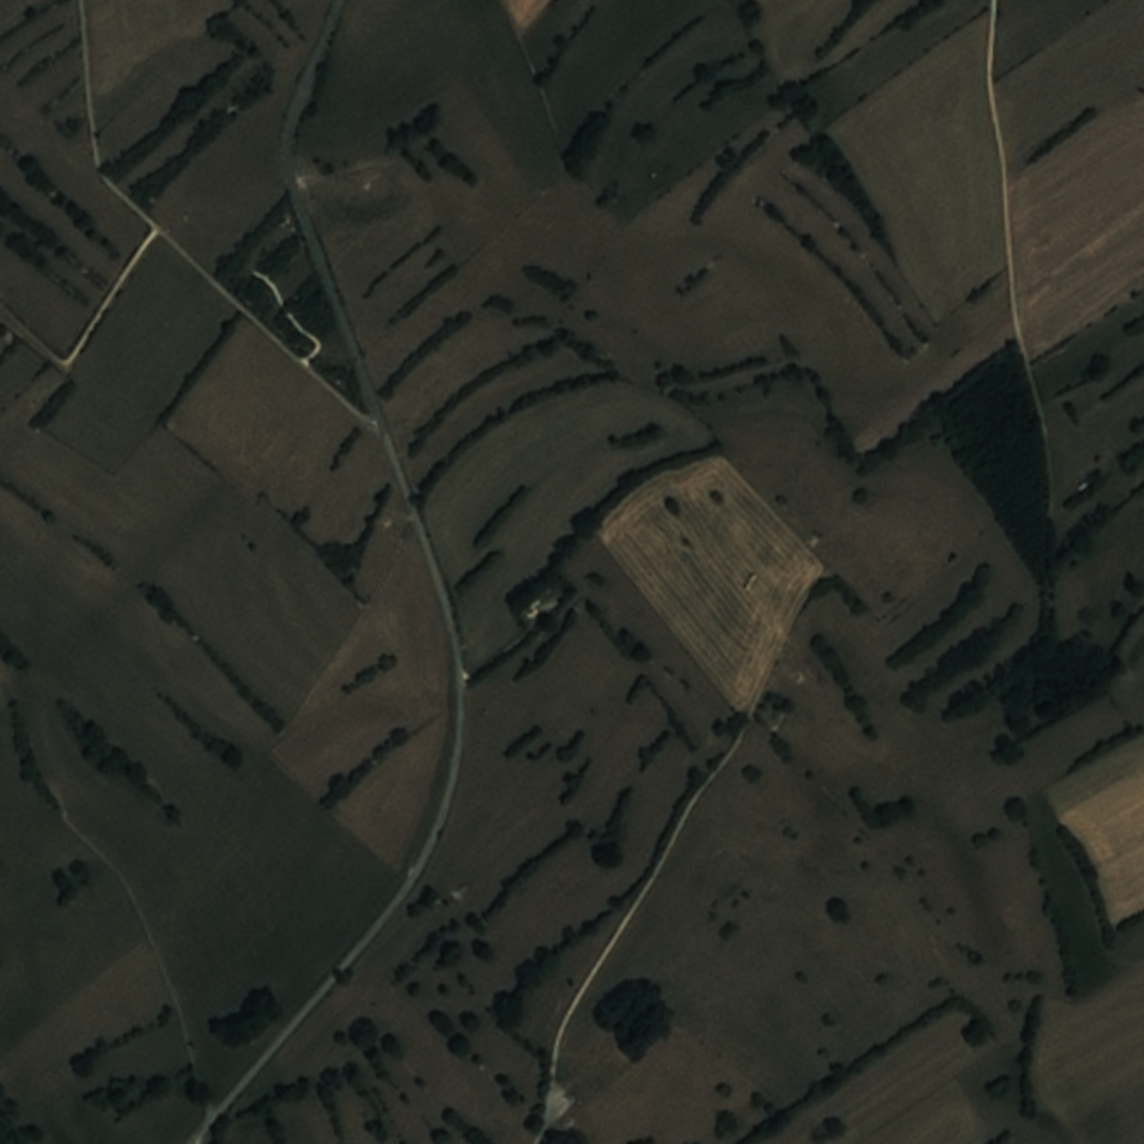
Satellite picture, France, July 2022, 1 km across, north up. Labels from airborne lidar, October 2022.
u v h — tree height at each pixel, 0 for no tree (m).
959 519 0
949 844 0
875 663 0
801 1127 0
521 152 0
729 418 0
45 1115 0
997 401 11
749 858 0
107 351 0
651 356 0
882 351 0
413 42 0
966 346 0
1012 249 0
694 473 0
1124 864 0
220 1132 12
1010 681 26
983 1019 6
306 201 0
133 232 0
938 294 0
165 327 0
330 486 0
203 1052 0
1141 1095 0
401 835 0
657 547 0
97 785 0
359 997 0
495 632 0
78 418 0
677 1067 0
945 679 17
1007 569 0
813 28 0
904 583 0
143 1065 0
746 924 0
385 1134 14
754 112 0
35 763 10
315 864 0
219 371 0
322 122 0
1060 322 0
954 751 0
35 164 15
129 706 0
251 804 0
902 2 0
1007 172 0
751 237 0
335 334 0
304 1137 0
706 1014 0
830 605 0
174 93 0
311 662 0
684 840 0
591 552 0
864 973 0
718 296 0
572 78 0
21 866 0
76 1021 0
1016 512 13
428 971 0
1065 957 9
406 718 0
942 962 0
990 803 0
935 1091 0
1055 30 0
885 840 0
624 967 0
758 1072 0
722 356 0
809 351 0
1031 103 0
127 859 0
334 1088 18
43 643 0
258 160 0
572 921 0
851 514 0
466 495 0
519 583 0
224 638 0
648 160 0
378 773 0
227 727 0
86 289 0
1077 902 0
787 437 0
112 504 0
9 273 0
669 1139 0
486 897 0
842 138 0
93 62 0
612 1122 0
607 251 0
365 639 0
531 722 0
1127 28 0
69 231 0
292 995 0
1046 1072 0
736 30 0
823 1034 0
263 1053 0
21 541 0
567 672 0
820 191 0
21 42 0
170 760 0
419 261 0
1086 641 22
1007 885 0
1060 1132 0
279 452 0
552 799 0
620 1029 13
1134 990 0
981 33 0
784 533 0
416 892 0
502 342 0
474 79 0
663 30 0
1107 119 0
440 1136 13
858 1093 0
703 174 0
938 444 7
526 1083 0
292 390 0
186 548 0
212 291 0
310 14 0
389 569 0
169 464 0
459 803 0
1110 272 0
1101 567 0
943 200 0
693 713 0
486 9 0
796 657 0
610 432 0
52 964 0
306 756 0
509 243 0
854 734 0
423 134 15
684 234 0
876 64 0
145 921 0
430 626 0
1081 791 0
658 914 0
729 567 0
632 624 0
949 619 14
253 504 0
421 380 0
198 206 0
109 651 0
